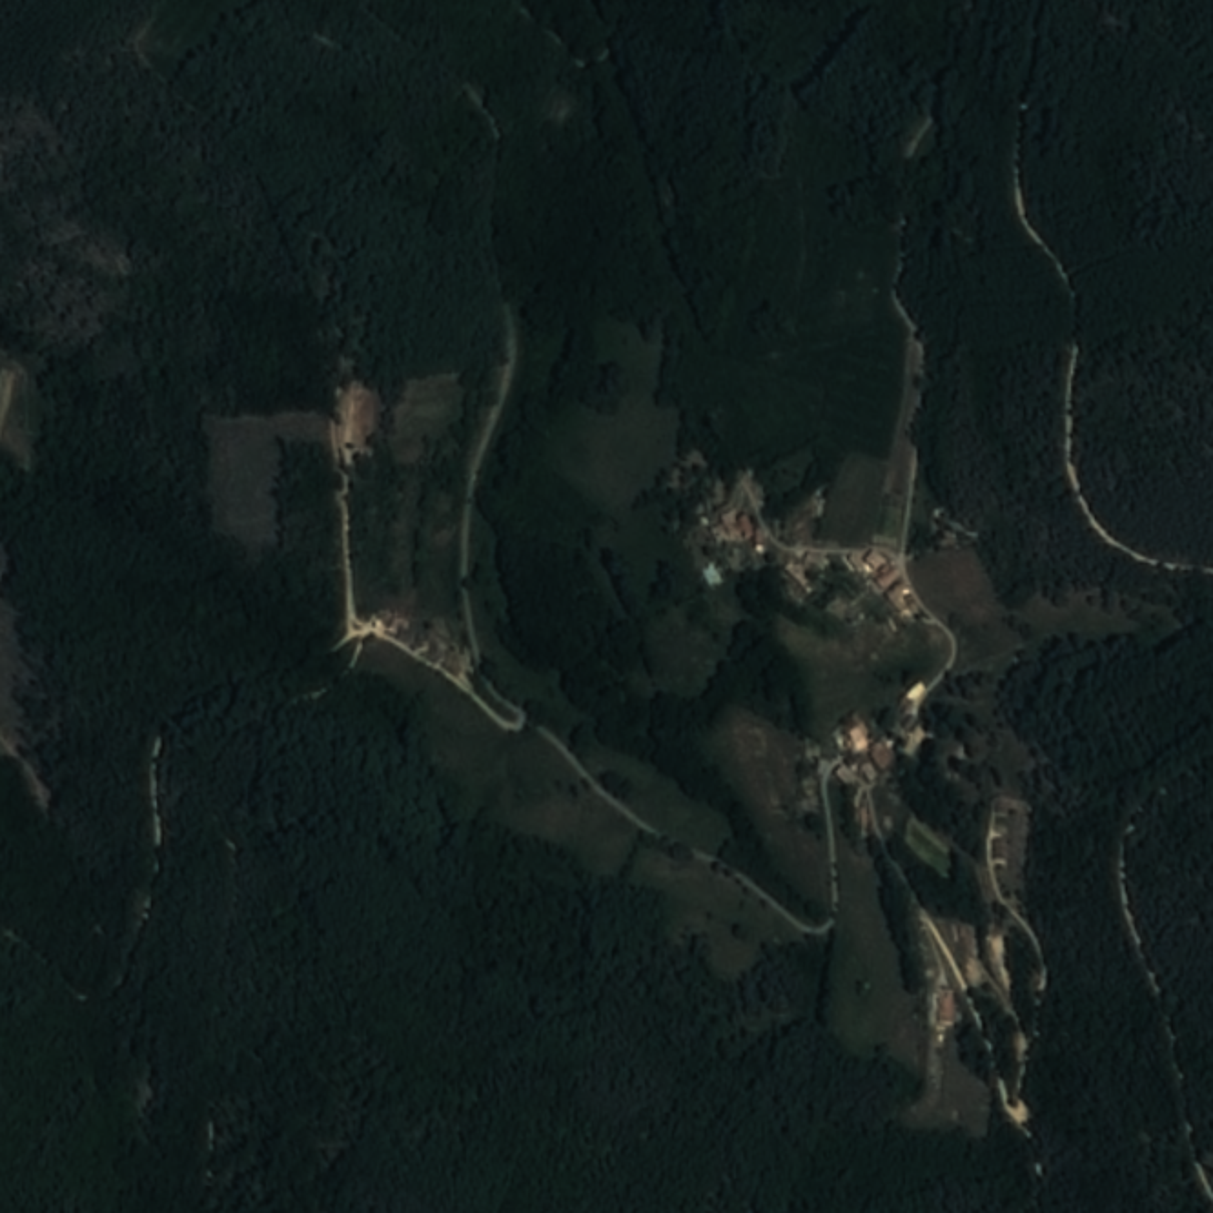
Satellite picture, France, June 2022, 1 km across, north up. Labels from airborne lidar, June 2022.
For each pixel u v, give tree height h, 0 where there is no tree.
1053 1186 13
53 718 14
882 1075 16
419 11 16
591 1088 16
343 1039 13
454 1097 12
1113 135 7
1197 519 12
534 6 20
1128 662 27
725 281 14
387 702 7
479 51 21
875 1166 12
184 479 11
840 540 0
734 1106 18
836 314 0
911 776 12
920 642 0
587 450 0
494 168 21
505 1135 12
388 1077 11
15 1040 19
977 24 15
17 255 9
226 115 17
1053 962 7
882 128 29
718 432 16
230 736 19
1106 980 14
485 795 0
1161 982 9
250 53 25
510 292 17
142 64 14
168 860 15
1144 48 14
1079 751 26
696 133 20
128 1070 18
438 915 23
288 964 7
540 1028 20
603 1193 12
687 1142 15
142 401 14
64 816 18
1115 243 15
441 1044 20
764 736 0
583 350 28
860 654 0
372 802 31
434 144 18
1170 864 12
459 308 27
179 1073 19
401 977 17
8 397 0
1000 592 8
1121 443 10
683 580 19
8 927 12
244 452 0
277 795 30
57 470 9
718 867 15
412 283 23
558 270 22
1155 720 15
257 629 11
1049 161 24
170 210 10
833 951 20
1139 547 10
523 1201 13
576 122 20
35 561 13
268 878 13
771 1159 20
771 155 26
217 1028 16
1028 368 15
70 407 10
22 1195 18
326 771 27
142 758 14
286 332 16
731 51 19
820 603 8
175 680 8
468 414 11
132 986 14
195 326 9
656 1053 14
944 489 14
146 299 10
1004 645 0
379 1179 7
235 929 12
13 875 17
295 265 19
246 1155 17
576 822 0
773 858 12
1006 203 16
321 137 17
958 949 0
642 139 7
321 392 16
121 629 15
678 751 26
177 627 14
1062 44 20
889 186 19
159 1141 15
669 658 0
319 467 14
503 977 32
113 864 15
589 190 26
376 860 28
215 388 10
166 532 18
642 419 0
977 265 17
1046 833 7
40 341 9
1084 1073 15
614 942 22
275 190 16
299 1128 15
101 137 17
